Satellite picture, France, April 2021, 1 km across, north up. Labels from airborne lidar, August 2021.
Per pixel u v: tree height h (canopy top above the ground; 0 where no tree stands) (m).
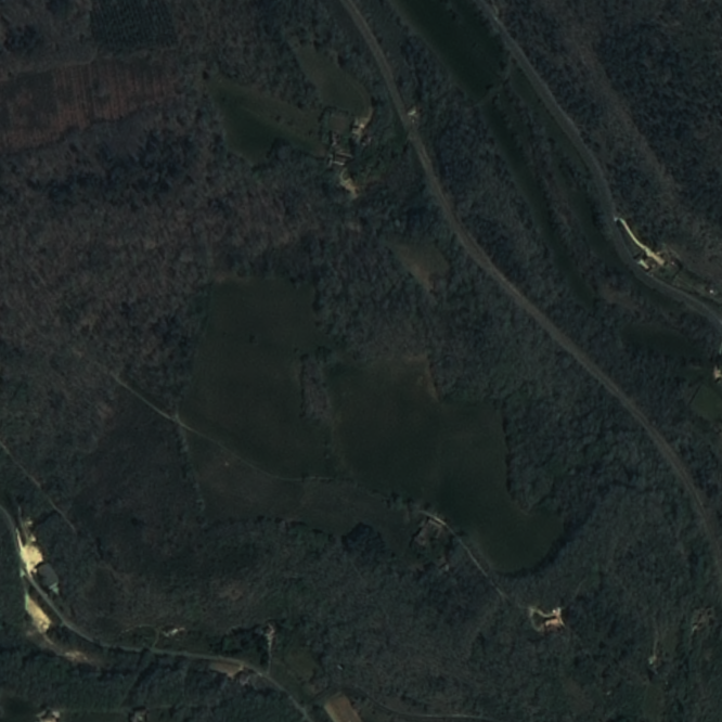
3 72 8
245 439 0
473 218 16
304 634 10
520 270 15
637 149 14
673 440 9
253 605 12
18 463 21
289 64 16
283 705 19
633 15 9
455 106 19
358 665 13
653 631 21
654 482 16
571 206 0
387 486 0
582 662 7
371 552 24
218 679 7
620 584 21
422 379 0
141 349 20
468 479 0
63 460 24
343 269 22
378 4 12
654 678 26
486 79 0
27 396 19
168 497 9
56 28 13
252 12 17
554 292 18
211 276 21
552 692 12
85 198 7
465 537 8
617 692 7
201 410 0
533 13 10
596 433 23
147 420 8
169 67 11
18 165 11
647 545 7
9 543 20
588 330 21
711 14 8
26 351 16
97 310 19
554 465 22
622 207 7
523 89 0
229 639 11
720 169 12
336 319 14
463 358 18
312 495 0
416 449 0
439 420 0
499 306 23
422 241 15
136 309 8
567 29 13
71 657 0
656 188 14
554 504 16
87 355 17
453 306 22
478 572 19
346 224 23
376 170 15
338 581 17
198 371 0
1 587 15
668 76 11
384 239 14
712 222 13
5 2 10
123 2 10
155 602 18
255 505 0
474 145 22
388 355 17
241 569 13
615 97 14
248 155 0
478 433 0
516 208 20
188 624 13
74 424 23
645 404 16
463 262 24
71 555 21
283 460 0
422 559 9
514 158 0
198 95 16
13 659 26
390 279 29
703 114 11
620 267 0
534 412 18
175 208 10
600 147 11
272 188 15
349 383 0
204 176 9
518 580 9
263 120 0
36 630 0
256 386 0
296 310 0
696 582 34
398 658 17
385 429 0
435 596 25
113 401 18
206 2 16
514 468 17
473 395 15
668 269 0
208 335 0
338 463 0
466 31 0
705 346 15
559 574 28
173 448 6
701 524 20
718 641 7
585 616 19
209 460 0
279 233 29
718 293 6
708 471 7
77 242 9
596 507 25
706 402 0
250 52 20
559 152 8
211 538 20
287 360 0
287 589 19
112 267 16
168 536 17
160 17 11
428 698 9
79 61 15
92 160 10
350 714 0
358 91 0
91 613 14
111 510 19
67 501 14
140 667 12
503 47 17
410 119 0
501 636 18
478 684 17
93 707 18
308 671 0
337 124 0
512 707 14
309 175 17
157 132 7
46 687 19
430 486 0
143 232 12
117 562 16
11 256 5
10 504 16
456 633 21
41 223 16
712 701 6
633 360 13
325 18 20
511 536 0
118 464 7
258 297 0
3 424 12
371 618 18
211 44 17
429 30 0
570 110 10
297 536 23
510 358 22
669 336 0
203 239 22
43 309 20
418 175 7
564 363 21
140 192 8
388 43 6
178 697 17
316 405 12
